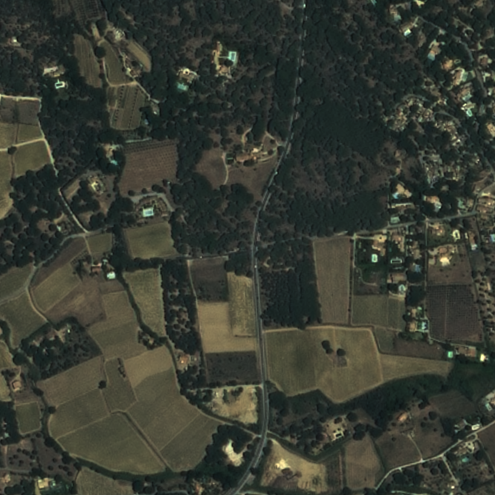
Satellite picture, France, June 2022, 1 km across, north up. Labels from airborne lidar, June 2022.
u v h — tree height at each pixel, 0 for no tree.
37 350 8
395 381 0
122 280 7
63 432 0
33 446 0
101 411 0
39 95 8
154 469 0
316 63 9
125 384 0
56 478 8
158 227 0
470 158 10
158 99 12
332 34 10
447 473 10
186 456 0
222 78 12
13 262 10
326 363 0
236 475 10
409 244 9
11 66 9
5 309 0
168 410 0
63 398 0
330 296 0
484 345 6
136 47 0
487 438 0
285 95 9
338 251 0
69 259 0
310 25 12
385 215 12
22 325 0
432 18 10
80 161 11
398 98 13
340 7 6
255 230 0
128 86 0
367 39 8
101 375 0
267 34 9
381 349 0
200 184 12
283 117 11
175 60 7
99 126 6
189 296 11
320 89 13
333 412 12
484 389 0
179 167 9
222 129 8
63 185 8
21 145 0
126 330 0
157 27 10
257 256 9
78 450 0
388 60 11
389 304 0
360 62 11
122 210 10
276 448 0
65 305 0
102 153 15
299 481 0
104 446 0
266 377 0
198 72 8
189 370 10
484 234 10
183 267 9
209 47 11
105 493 0
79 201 10
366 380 0
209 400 10
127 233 0
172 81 12
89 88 12
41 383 0
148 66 0
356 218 13
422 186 6
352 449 0
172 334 10
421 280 10
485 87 7
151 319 0
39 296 0
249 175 0
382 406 6
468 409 0
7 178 0
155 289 0
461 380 6
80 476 0
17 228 13
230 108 7
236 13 9
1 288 0
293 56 10
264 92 9
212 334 0
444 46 9
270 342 0
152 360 0
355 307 0
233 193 8
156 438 0
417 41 8
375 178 0
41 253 6
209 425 0
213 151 0
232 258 10
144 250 0
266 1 7
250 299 0
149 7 9
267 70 14
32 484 7
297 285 12
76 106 10
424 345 0
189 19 11
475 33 9
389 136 9
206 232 8
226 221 12
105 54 12
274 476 0
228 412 0
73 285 0
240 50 8
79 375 0
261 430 7
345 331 0
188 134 12
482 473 7
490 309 10
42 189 9
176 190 14
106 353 0
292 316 12
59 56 11
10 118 0
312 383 0
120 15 14
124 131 6
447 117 9
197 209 9
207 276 0
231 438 12
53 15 10
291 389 0
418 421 0
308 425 10
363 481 0
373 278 0
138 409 0
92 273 7
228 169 0
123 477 6
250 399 0
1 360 0
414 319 7
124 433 0
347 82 11
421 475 10
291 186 9
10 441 12
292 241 9
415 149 7
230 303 0
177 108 13
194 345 11
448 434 8
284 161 8
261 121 13
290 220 10
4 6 7
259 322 0
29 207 9
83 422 0
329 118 12
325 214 9
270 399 10
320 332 0
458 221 11
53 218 10
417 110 13
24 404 0
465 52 12
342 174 8
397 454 0
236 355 0
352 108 12
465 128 9
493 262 6
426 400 10
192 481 8
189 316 8
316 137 10
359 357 0
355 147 10
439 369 0
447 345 9
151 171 0
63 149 8
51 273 0
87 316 0
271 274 6
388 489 11
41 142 0
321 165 6
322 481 0
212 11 10
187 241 12
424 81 10
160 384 0
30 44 11
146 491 13
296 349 0
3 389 0
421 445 0
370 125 12
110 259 10
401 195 12
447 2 8
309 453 9
